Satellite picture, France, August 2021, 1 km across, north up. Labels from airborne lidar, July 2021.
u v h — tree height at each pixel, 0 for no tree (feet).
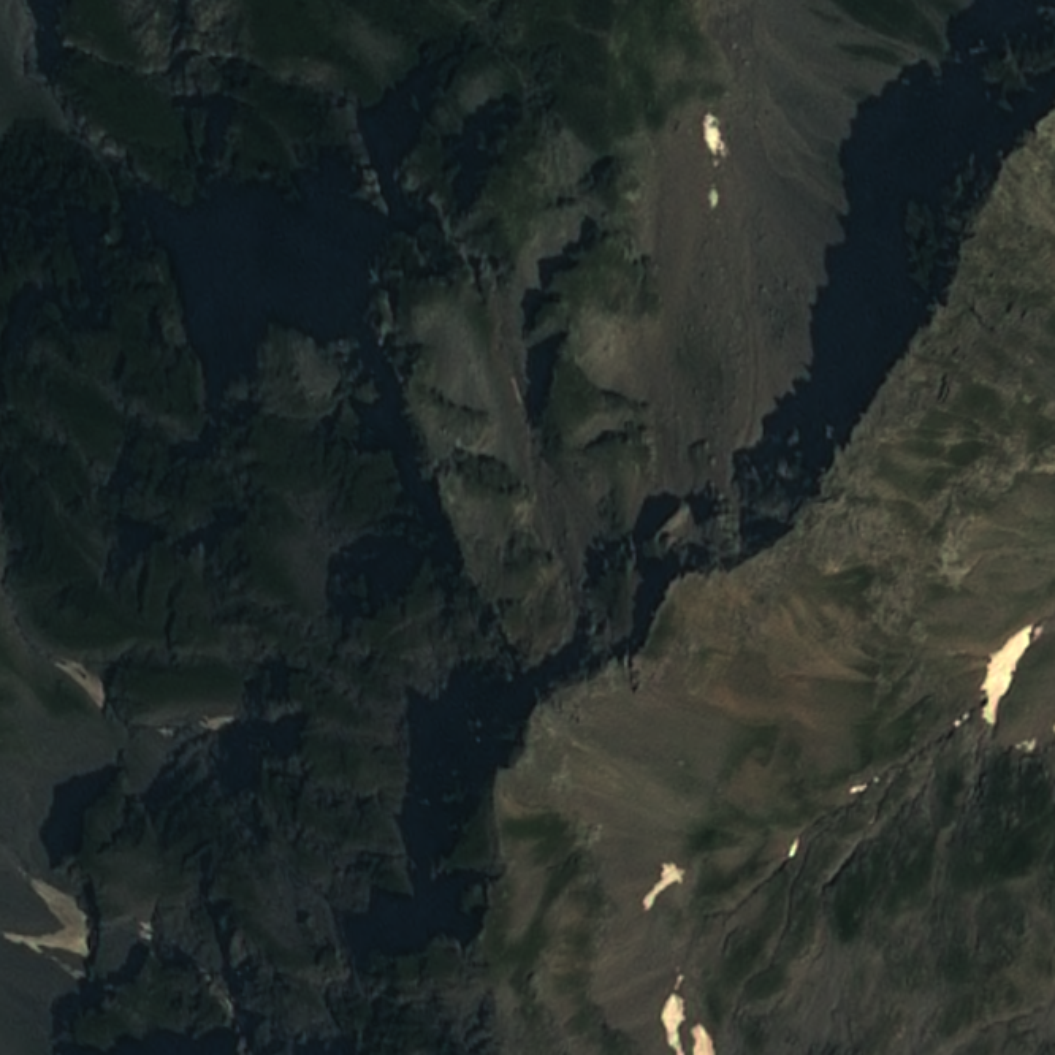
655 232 0
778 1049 0
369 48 0
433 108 0
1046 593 0
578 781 0
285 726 0
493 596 0
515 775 0
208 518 0
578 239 0
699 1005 0
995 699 0
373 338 0
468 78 0
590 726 0
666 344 0
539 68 0
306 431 0
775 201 0
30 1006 0
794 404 0
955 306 0
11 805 0
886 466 0
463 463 0
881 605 0
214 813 0
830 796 0
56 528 0
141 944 0
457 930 0
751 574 0
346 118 0
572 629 0
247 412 0
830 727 0
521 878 0
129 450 0
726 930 0
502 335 0
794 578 0
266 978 0
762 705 0
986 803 0
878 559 0
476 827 0
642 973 0
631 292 0
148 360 0
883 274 0
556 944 0
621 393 0
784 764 0
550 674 0
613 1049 0
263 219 30
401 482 0
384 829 0
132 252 21
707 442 0
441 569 0
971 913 0
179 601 0
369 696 0
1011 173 0
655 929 0
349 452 0
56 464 0
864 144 0
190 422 0
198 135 0
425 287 0
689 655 0
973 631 0
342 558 0
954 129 0
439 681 0
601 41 0
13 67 0
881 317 0
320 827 0
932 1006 0
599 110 0
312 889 0
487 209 0
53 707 0
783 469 0
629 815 0
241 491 0
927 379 0
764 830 0
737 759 0
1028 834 0
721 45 0
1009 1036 0
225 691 0
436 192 0
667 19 0
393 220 0
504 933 0
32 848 0
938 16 0
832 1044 0
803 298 0
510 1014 0
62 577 0
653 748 0
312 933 0
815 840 0
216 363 0
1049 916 0
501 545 0
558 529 0
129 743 0
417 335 0
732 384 0
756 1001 0
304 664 0
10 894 0
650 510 0
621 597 0
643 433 0
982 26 0
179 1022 0
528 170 0
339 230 0
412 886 0
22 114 0
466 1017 0
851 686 0
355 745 0
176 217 0
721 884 0
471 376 0
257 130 0
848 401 0
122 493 0
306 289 0
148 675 0
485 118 0
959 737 0
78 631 0
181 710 0
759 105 0
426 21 0
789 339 0
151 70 0
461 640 0
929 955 0
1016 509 0
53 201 30
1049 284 0
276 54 0
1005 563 0
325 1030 0
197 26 0
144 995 0
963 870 0
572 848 0
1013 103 0
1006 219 0
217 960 0
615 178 0
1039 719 0
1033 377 0
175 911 0
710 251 0
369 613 0
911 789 0
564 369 0
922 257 0
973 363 0
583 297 0
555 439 0
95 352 0
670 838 0
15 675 0
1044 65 0
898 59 0
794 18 0
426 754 0
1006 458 0
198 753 0
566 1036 0
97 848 0
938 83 0
